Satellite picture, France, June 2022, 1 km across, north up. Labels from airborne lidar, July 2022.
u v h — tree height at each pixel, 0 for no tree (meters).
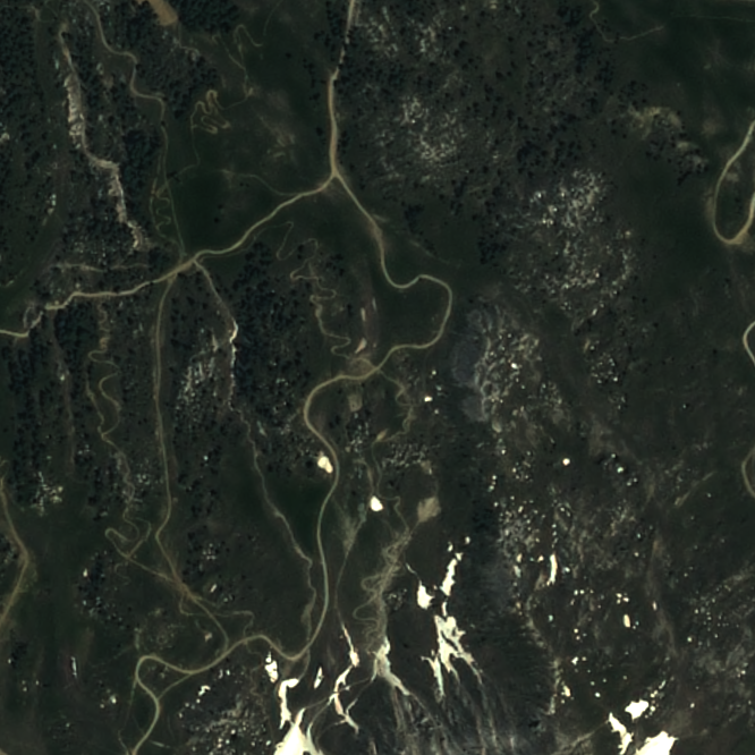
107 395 0
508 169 0
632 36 0
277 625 0
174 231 0
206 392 10
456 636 0
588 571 0
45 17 0
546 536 0
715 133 0
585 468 0
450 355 0
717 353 8
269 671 0
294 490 0
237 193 0
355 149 0
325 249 0
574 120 12
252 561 0
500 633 0
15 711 0
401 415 0
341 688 0
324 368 0
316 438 0
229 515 0
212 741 0
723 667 0
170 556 0
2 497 0
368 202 0
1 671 0
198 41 0
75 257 0
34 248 0
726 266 0
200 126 0
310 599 0
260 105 0
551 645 0
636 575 0
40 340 7
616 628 0
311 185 0
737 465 0
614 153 0
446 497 0
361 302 0
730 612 0
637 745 0
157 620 0
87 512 0
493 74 0
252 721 0
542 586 0
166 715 0
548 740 0
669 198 0
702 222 0
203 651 0
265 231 0
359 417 0
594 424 0
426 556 0
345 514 0
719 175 0
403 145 0
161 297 0
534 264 0
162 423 0
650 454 0
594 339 0
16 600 0
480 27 8
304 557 0
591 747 0
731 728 0
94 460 7
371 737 0
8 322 0
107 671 0
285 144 0
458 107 0
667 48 0
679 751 0
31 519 0
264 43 0
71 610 0
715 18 0
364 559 0
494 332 0
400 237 0
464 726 0
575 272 0
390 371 0
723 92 0
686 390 0
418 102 0
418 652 0
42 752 0
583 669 0
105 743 0
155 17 12
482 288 0
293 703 0
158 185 0
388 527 0
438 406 0
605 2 0
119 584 0
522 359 0
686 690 0
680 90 0
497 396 0
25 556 0
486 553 0
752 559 0
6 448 0
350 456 0
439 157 0
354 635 0
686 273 0
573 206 0
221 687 0
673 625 0
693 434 0
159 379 0
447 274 0
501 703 0
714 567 0
